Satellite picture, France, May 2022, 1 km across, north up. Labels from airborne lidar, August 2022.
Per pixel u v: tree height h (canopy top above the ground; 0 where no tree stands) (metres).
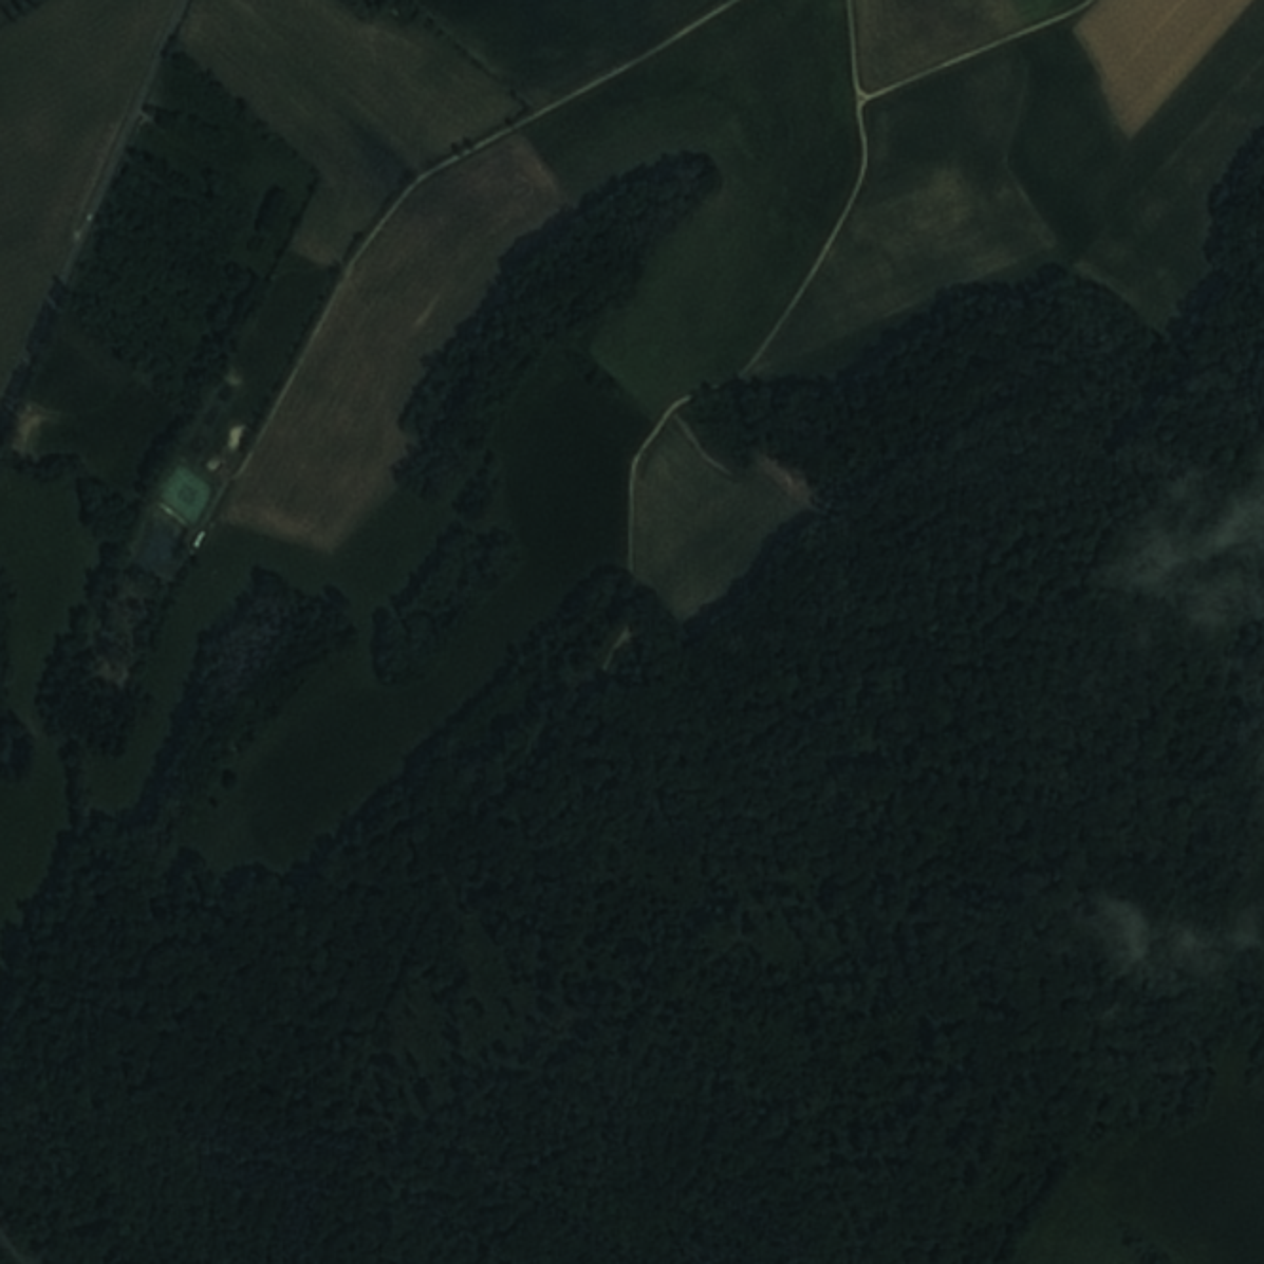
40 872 0
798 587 22
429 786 23
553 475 0
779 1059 6
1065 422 21
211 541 0
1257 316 23
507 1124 19
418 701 0
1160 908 26
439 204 0
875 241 0
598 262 23
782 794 19
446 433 25
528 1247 18
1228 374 36
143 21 0
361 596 0
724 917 18
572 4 0
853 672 17
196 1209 12
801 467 24
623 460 0
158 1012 24
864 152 0
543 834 18
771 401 16
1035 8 0
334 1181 22
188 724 23
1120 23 0
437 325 0
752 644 22
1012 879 21
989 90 0
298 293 0
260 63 0
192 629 0
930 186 0
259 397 0
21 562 0
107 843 21
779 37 0
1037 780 18
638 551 0
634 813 22
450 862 25
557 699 25
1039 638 17
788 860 16
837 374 0
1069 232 0
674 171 22
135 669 15
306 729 0
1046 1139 20
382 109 0
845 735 17
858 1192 18
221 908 23
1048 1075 22
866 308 0
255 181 0
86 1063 19
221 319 20
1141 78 0
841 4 0
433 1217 21
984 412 19
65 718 27
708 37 0
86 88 0
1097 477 20
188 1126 18
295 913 25
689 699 26
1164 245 0
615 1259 21
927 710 21
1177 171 0
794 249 0
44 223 0
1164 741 17
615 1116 16
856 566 22
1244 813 20
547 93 0
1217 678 20
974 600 21
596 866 23
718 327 0
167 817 21
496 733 7
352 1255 18
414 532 0
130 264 12
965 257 0
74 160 0
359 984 21
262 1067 21
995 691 21
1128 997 23
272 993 24
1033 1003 26
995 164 0
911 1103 6
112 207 11
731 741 20
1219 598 18
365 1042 21
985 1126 23
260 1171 19
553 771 21
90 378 0
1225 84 0
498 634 0
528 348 15
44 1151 20
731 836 20
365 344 0
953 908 24
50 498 0
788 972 7
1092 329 28
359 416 0
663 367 0
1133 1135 14
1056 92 0
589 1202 15
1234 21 0
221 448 0
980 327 27
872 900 32
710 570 0
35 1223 23
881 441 9
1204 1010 19
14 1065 22
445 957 22
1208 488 17
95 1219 15
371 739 0
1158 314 0
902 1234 18
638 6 0
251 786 0
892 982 27
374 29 0
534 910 20
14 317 0
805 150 0
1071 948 24
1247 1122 0
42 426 0
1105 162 0
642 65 0
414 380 0
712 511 0
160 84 0
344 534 0
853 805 21
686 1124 18
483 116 0
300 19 0
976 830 22
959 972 22
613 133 0
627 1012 7
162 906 18
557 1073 18
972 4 0
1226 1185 0
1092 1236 0
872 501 19
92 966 23
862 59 0
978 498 22
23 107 0
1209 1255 0
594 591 17
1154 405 27
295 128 0
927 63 0
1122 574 20
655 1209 17
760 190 0
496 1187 17
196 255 13
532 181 0
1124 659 14
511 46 0
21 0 0
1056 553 21
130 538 18
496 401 19
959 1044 24
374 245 0
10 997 28
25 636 0
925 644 19
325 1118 15
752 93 0
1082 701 17
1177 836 27
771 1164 20
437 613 11
